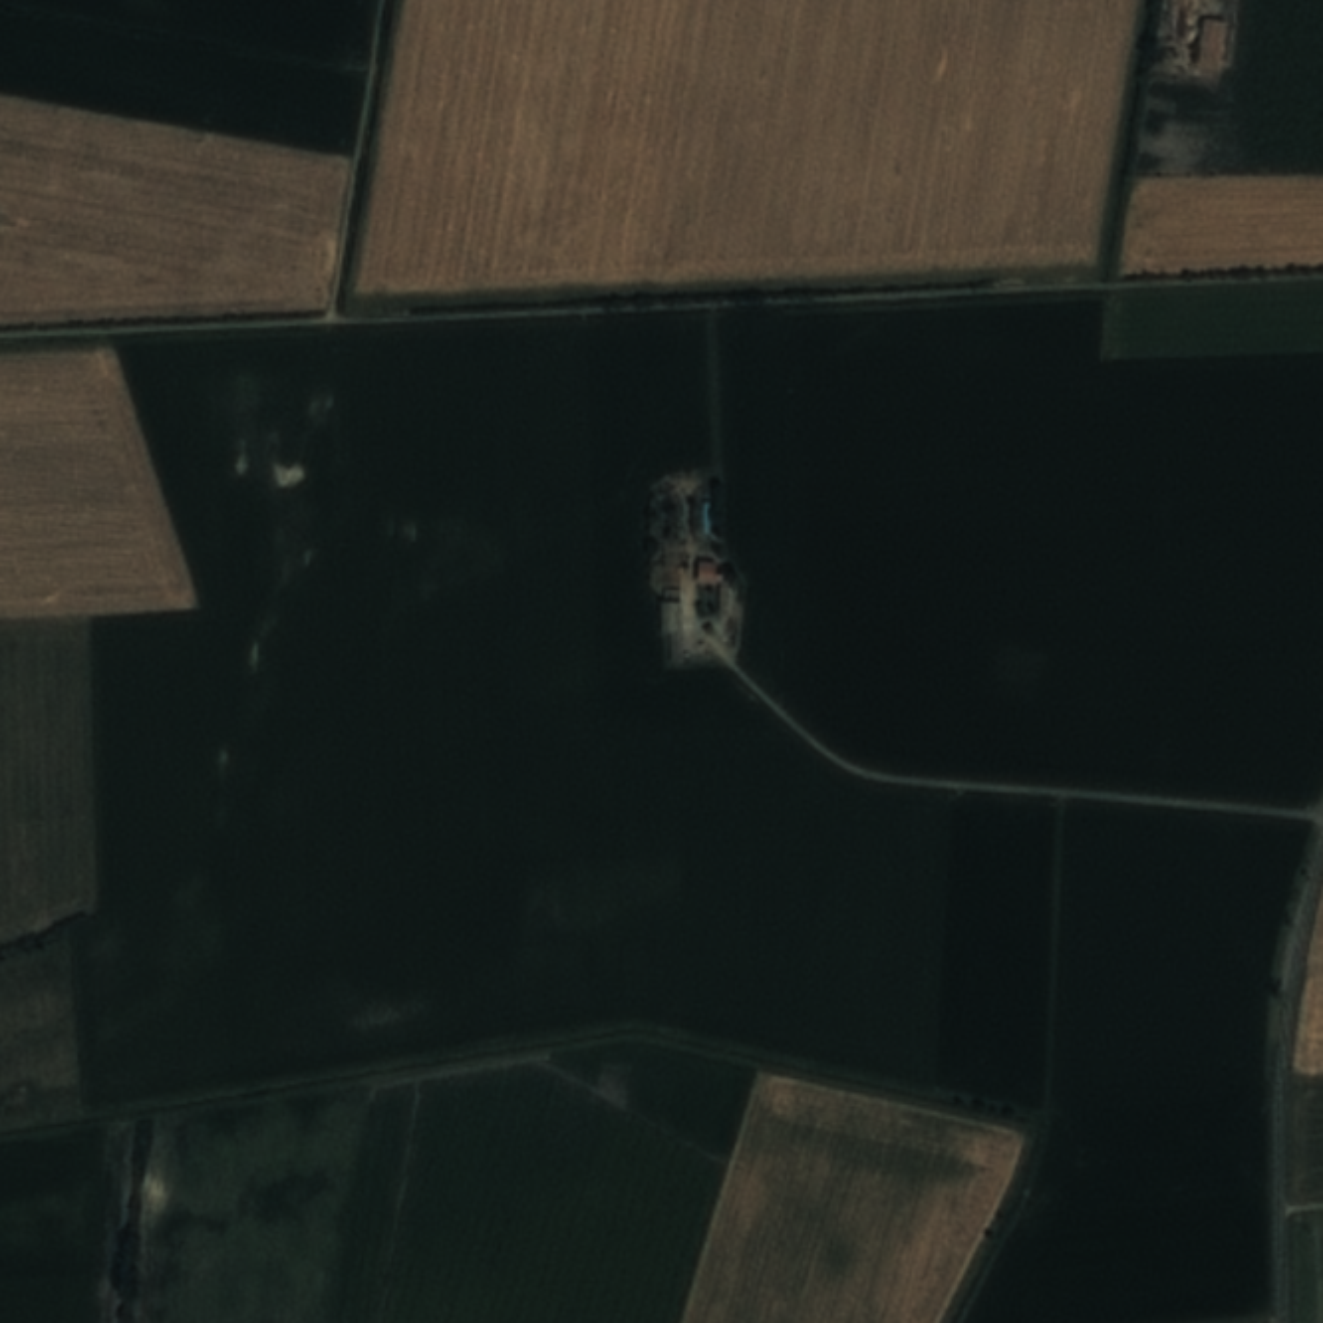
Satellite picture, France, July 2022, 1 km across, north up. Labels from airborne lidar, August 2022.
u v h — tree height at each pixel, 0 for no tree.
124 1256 14
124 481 0
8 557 0
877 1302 0
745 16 0
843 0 0
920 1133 0
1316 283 0
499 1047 0
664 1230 0
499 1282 0
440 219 0
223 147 0
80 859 0
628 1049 0
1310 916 0
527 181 0
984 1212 0
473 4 0
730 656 0
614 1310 0
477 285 0
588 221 0
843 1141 0
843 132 0
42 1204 0
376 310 0
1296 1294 0
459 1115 0
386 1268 0
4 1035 0
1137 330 0
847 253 0
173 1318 0
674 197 0
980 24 0
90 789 0
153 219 0
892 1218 0
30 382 0
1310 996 0
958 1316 0
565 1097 0
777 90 0
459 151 0
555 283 0
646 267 0
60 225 0
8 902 0
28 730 0
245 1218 0
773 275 0
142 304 0
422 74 0
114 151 0
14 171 0
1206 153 0
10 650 0
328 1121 0
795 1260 0
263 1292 0
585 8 0
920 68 0
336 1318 0
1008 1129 0
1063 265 0
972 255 0
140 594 0
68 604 0
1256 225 0
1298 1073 0
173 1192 0
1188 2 0
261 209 0
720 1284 0
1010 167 0
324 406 0
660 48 0
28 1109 0
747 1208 0
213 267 0
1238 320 0
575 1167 0
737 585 9
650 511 8
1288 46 0
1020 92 0
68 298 0
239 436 0
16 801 0
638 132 0
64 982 0
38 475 0
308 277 0
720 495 10
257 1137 0
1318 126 0
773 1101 0
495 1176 0
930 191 0
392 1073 0
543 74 0
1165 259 0
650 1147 0
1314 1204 0
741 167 0
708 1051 0
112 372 0
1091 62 0
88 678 0
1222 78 0
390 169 0
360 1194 0
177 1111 0
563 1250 0
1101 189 0
